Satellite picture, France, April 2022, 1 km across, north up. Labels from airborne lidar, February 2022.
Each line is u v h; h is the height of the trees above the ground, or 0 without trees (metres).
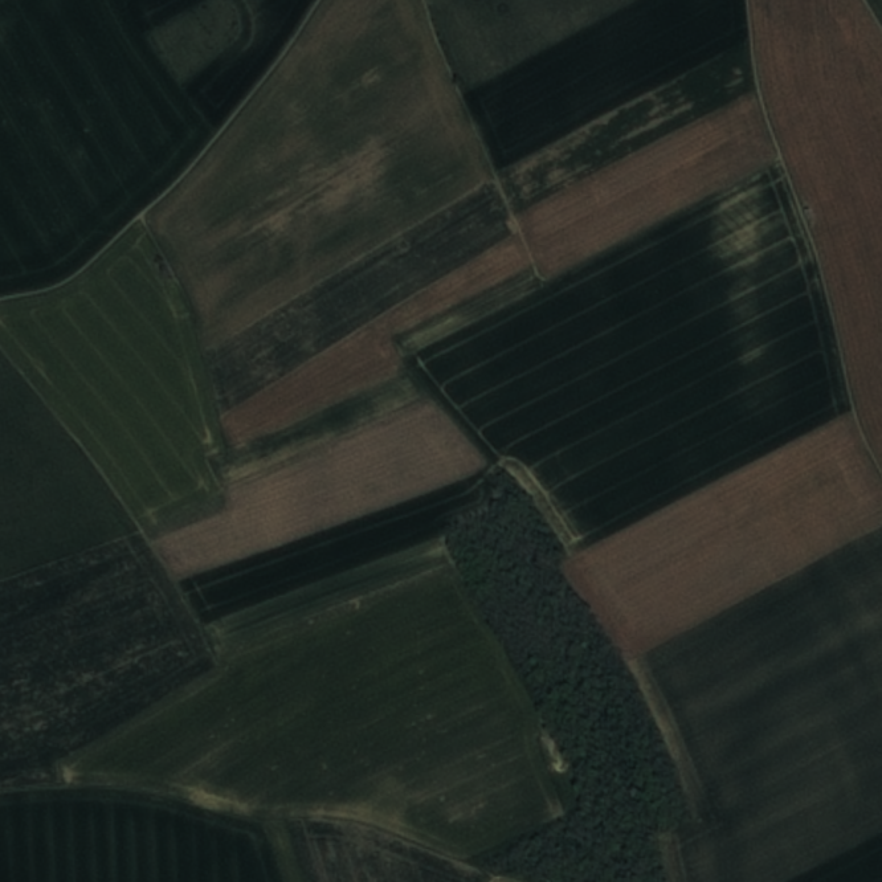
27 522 0
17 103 0
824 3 0
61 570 0
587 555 0
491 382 0
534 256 0
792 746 0
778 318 0
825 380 0
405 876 0
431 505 0
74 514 0
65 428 0
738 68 0
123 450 0
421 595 0
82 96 0
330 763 0
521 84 0
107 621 0
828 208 0
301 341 0
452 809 0
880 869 0
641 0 0
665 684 0
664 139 0
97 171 0
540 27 0
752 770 0
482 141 0
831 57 0
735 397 0
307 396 0
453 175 0
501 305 0
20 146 0
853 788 0
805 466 0
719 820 0
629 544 0
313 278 0
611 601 0
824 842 0
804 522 0
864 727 0
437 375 0
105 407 0
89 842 0
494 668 0
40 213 0
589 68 0
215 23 0
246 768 0
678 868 0
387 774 0
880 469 0
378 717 0
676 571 0
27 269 0
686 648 0
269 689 0
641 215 0
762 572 0
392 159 0
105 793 0
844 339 0
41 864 0
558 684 11
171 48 0
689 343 0
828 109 0
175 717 0
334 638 0
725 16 0
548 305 0
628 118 0
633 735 18
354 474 0
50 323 0
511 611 14
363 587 0
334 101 0
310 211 0
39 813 0
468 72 0
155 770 0
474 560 11
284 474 0
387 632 0
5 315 0
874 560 0
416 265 0
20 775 0
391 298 0
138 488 0
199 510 0
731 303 0
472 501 0
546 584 18
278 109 0
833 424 0
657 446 0
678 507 0
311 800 0
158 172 0
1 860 0
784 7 0
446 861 0
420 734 0
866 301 0
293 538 0
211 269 0
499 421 0
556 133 0
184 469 0
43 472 0
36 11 0
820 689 0
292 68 0
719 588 0
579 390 0
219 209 0
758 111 0
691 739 0
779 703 0
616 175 0
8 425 0
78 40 0
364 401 0
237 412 0
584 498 0
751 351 0
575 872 11
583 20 0
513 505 17
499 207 0
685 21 0
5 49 0
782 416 0
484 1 0
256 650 0
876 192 0
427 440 0
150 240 0
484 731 0
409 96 0
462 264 0
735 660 0
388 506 0
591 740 17
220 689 0
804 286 0
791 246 0
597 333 0
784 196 0
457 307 0
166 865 0
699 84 0
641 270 0
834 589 0
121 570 0
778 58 0
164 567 0
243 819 0
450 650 0
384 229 0
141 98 0
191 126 0
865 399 0
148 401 0
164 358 0
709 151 0
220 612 0
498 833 0
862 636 0
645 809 22
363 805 0
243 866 0
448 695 0
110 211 0
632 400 0
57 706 0
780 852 0
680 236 0
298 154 0
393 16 0
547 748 0
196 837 0
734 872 0
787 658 0
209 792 0
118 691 0
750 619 0
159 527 0
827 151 0
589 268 0
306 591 0
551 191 0
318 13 0
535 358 0
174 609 0
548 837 14
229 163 0
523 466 0
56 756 0
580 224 0
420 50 0
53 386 0
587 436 0
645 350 0
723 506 0
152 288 0
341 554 0
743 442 0
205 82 0
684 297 0
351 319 0
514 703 0
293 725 0
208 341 0
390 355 0
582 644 14
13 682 0
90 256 0
